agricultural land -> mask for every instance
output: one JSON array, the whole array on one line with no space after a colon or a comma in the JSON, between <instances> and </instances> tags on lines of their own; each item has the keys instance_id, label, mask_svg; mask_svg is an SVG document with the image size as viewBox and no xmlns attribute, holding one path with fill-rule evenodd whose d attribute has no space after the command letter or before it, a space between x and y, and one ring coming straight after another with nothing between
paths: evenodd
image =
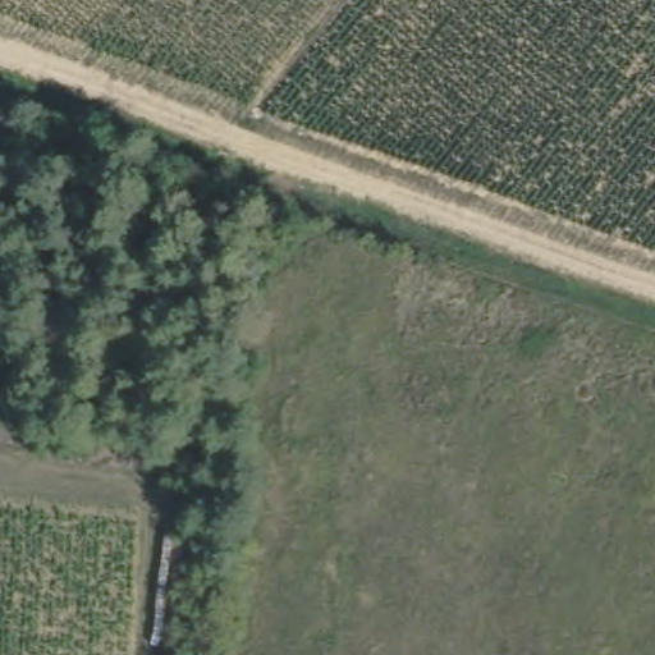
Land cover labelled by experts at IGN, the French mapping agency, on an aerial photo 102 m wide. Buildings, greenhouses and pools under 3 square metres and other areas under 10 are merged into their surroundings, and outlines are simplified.
<instances>
[{"instance_id":1,"label":"agricultural land","mask_svg":"<svg viewBox=\"0 0 655 655\"><path fill-rule=\"evenodd\" d=\"M537 266L532 261L525 261L522 256L499 251L463 233L412 220L409 215L399 215L379 202L340 194L330 184L315 184L304 189L304 194L320 210L320 217L315 220L320 225L320 233L304 238L297 256L279 266L271 294L279 304L279 338L269 343L266 356L269 371L264 391L258 394L261 430L256 448L256 468L264 473L264 496L253 509L243 535L248 545L241 550L241 563L251 558L256 563L256 573L248 578L246 586L248 635L241 645L241 655L655 655L655 302L588 279L578 279L573 274L560 274L555 269Z\"/></svg>"}]
</instances>

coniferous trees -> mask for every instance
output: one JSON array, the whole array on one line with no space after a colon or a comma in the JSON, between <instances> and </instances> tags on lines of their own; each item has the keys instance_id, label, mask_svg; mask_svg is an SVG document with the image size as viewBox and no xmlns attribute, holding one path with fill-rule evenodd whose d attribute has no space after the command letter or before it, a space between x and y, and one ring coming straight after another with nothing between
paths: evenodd
<instances>
[{"instance_id":1,"label":"coniferous trees","mask_svg":"<svg viewBox=\"0 0 655 655\"><path fill-rule=\"evenodd\" d=\"M269 230L274 223L299 220L302 215L307 220L315 220L320 217L320 210L304 194L304 189L315 184L310 179L299 179L292 174L258 169L251 161L233 156L228 148L220 146L200 146L148 120L125 115L107 100L87 97L82 90L0 69L0 343L8 348L5 353L18 353L28 363L28 368L20 371L20 384L8 389L8 404L15 409L26 409L28 420L26 427L15 427L10 432L20 450L28 450L36 458L46 458L51 453L59 461L82 461L97 445L107 445L118 461L136 463L143 499L151 507L148 522L154 527L146 583L143 624L136 655L241 655L241 645L248 635L246 586L248 578L256 573L256 563L251 558L241 563L241 550L248 545L243 535L253 509L264 496L264 473L256 468L256 448L261 430L258 394L243 386L246 381L241 379L241 366L246 363L246 358L266 356L269 343L279 338L279 304L271 294L253 294L264 264L253 258L258 235Z\"/></svg>"}]
</instances>

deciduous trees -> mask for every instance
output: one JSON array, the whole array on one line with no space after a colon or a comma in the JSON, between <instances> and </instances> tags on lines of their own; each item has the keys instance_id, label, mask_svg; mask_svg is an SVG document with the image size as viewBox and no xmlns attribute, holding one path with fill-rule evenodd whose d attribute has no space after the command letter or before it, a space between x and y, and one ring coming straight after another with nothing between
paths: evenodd
<instances>
[{"instance_id":1,"label":"deciduous trees","mask_svg":"<svg viewBox=\"0 0 655 655\"><path fill-rule=\"evenodd\" d=\"M269 230L258 235L253 258L264 264L253 294L271 294L279 266L297 256L304 238L320 233L320 225L315 220L307 220L302 215L299 220L274 223Z\"/></svg>"},{"instance_id":2,"label":"deciduous trees","mask_svg":"<svg viewBox=\"0 0 655 655\"><path fill-rule=\"evenodd\" d=\"M241 366L241 379L246 381L243 386L258 394L264 391L269 371L266 356L246 358L246 363Z\"/></svg>"}]
</instances>

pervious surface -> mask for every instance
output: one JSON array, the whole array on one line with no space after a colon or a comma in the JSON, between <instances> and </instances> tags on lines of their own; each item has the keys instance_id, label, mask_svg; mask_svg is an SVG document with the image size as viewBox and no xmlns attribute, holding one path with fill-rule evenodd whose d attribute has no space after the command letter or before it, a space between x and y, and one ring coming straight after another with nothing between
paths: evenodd
<instances>
[{"instance_id":1,"label":"pervious surface","mask_svg":"<svg viewBox=\"0 0 655 655\"><path fill-rule=\"evenodd\" d=\"M553 241L542 233L532 233L527 228L496 220L486 212L448 200L438 200L427 192L412 189L391 179L356 171L333 159L322 159L297 146L279 143L246 128L238 128L223 120L220 115L174 102L141 84L113 79L100 69L59 59L23 41L0 38L0 69L82 90L87 97L107 100L125 115L148 120L200 146L220 146L228 148L233 156L251 161L258 169L292 174L299 179L310 179L315 184L330 184L340 194L379 202L399 215L409 215L412 220L463 233L499 251L522 256L525 261L532 261L537 266L555 269L560 274L573 274L578 279L588 279L655 302L655 271L642 271L637 266L627 266L606 256L576 248L571 243Z\"/></svg>"}]
</instances>

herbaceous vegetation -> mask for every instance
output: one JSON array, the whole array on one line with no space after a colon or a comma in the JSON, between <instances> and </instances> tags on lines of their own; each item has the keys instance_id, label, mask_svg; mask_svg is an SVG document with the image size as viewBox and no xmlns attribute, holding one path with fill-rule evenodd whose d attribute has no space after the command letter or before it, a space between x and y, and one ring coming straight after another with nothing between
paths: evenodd
<instances>
[{"instance_id":1,"label":"herbaceous vegetation","mask_svg":"<svg viewBox=\"0 0 655 655\"><path fill-rule=\"evenodd\" d=\"M46 458L36 458L28 450L20 450L10 432L15 427L26 427L28 420L26 409L15 409L8 404L8 389L20 384L20 371L28 368L28 363L18 353L5 353L8 348L0 343L0 507L33 507L43 514L74 512L82 517L130 519L130 568L133 578L141 578L146 583L154 527L148 522L151 507L143 499L136 463L118 461L107 445L97 445L82 461L59 461L51 453Z\"/></svg>"}]
</instances>

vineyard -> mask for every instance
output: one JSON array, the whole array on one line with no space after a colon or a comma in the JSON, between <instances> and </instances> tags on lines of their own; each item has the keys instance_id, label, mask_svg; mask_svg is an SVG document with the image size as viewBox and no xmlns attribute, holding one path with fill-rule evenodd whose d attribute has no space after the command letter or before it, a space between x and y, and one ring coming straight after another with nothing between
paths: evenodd
<instances>
[{"instance_id":1,"label":"vineyard","mask_svg":"<svg viewBox=\"0 0 655 655\"><path fill-rule=\"evenodd\" d=\"M43 514L33 507L0 507L0 655L136 655L143 624L146 583L141 578L133 578L130 568L130 519L82 517L74 512Z\"/></svg>"},{"instance_id":2,"label":"vineyard","mask_svg":"<svg viewBox=\"0 0 655 655\"><path fill-rule=\"evenodd\" d=\"M527 228L532 233L542 233L553 241L571 243L576 248L606 256L627 266L637 266L642 271L655 271L655 0L0 0L0 38L23 41L59 59L100 69L113 79L141 84L174 102L220 115L223 120L238 128L246 128L279 143L297 146L322 159L333 159L356 171L391 179L412 189L427 192L438 200L448 200L486 212L496 220Z\"/></svg>"}]
</instances>

